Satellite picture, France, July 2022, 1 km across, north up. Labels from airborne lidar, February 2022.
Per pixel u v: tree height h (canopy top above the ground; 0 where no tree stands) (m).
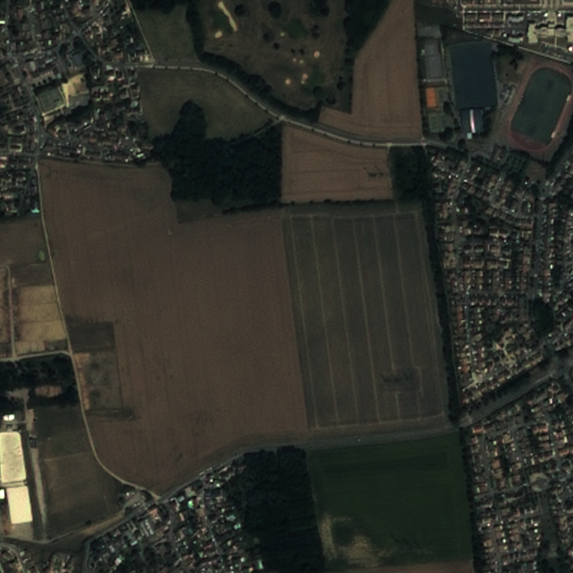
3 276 0
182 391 0
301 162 0
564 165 0
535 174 0
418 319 0
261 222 0
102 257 0
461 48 0
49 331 0
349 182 0
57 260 0
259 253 0
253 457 13
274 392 0
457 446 0
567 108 0
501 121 0
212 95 0
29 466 0
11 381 15
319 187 0
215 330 0
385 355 0
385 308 0
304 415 0
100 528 0
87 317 0
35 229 0
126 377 0
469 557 0
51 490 0
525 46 0
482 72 0
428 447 0
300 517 15
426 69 0
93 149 0
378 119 0
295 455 17
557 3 0
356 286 0
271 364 0
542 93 0
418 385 0
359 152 0
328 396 0
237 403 0
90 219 0
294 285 0
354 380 0
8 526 0
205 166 23
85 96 0
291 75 0
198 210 0
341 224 0
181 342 0
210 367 0
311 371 0
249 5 0
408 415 0
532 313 10
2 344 0
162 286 0
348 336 0
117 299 0
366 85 0
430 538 0
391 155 0
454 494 0
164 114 0
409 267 0
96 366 0
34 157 0
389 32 0
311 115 13
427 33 0
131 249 0
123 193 0
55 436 0
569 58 0
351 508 0
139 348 0
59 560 0
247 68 0
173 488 0
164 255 0
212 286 0
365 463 0
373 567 0
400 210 0
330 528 0
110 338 0
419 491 0
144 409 0
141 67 0
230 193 25
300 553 24
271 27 0
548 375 0
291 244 0
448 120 0
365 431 0
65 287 0
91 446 0
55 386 16
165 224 0
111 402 0
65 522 0
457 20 0
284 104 8
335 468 0
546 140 0
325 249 0
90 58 14
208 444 0
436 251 12
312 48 0
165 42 0
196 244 0
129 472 0
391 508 0
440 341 0
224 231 0
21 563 0
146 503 0
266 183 11
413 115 0
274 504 18
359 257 0
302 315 0
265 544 16
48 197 0
